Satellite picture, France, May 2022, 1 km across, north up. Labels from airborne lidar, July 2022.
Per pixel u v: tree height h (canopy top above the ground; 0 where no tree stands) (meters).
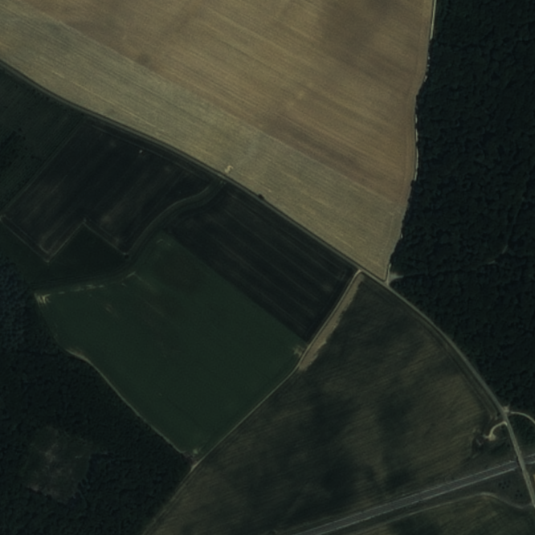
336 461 0
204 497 0
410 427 0
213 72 0
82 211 0
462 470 0
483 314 24
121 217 0
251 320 0
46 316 0
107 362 0
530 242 27
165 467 18
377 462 0
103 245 0
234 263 0
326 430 0
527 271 28
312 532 0
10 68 0
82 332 0
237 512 0
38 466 0
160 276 0
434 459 0
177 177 0
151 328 0
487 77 32
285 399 0
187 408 0
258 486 0
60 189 0
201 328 0
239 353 0
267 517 0
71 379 27
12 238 0
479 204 29
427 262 18
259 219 0
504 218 24
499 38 26
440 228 27
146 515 21
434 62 21
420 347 0
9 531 19
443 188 26
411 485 0
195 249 0
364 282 0
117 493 19
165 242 0
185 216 0
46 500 14
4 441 28
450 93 27
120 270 0
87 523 23
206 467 0
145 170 0
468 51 25
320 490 0
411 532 0
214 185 0
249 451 0
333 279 0
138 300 0
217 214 0
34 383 35
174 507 0
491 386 19
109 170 0
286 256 0
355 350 0
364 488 0
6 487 18
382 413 0
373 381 0
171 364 0
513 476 0
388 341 0
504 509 0
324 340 0
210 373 0
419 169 8
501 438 0
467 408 0
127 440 20
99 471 23
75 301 0
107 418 18
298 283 0
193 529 0
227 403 0
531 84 34
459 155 26
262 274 0
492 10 24
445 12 8
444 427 0
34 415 27
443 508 0
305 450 0
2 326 32
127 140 0
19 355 26
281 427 0
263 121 0
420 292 20
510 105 27
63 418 28
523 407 17
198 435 0
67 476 0
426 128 25
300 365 0
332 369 0
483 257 24
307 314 0
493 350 21
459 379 0
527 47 28
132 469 23
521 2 23
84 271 0
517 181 25
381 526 0
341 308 0
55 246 0
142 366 0
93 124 0
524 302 28
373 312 0
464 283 25
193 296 0
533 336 23
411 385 0
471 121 29
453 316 13
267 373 0
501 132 27
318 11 0
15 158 7
